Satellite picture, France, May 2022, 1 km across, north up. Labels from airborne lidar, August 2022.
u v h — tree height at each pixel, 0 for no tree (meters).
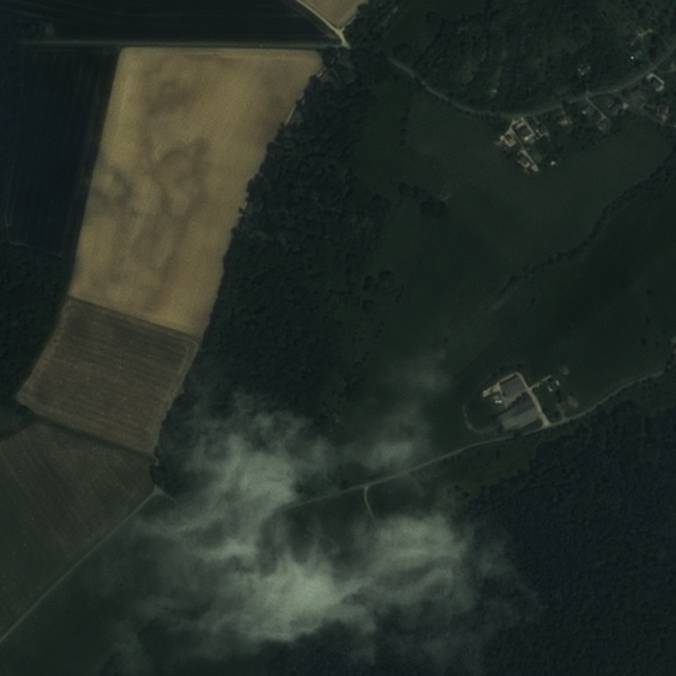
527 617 22
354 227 25
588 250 8
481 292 0
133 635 0
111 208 0
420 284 0
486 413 0
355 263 16
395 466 0
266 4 0
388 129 0
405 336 0
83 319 0
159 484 16
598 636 19
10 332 27
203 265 0
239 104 0
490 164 0
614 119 9
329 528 0
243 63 0
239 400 18
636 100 0
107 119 0
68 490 0
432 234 0
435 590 19
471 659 20
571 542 18
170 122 0
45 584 0
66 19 0
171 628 0
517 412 0
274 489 21
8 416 0
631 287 0
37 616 0
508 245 0
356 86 20
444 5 0
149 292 0
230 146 0
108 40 0
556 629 21
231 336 22
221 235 0
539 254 0
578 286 0
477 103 16
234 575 0
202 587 0
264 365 17
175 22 0
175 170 0
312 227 27
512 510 22
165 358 0
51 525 0
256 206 23
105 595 0
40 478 0
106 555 0
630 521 25
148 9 0
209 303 0
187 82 0
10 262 24
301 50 0
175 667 0
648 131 0
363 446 0
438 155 0
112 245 0
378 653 13
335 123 27
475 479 0
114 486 0
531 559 16
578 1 19
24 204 0
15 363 21
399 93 0
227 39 0
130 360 0
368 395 0
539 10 12
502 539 23
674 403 0
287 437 19
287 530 0
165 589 0
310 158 22
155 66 0
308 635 19
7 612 0
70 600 0
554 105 0
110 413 0
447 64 9
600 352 0
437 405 0
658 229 0
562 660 19
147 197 0
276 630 0
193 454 22
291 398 17
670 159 9
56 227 0
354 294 14
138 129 0
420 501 0
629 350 0
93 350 0
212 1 0
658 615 18
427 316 0
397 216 0
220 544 0
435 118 0
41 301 24
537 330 0
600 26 11
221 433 17
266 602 0
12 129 26
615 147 0
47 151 0
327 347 18
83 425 0
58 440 0
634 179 0
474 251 0
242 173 0
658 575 20
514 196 0
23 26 16
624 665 17
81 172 0
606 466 14
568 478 20
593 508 17
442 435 0
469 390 0
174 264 0
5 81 21
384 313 0
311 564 0
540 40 9
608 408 0
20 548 0
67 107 0
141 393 0
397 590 21
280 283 20
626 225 0
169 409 0
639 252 0
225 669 0
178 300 0
